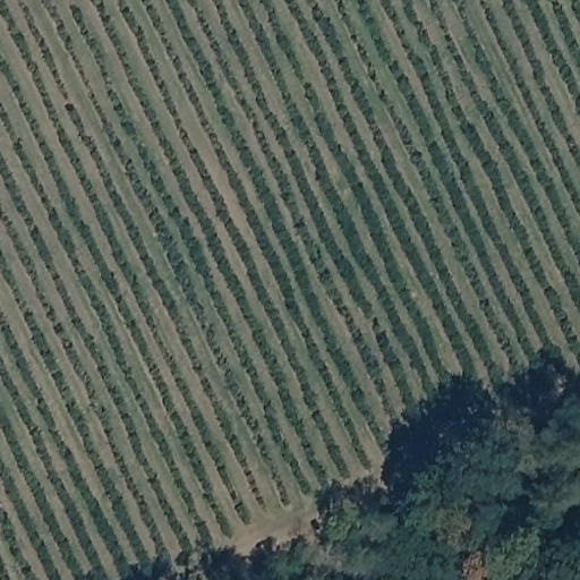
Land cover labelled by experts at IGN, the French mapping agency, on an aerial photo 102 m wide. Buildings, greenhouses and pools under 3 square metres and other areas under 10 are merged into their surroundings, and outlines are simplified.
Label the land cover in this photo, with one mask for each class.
<instances>
[{"label":"deciduous trees","instance_id":"1","mask_svg":"<svg viewBox=\"0 0 580 580\"><path fill-rule=\"evenodd\" d=\"M97 7L104 29L120 57L129 86L136 93L170 161L172 174L177 177V184L190 211L197 215V222L208 240V249L213 251V258L240 306L245 322L251 329V338L270 369V376L276 383L274 392H265L261 376L242 344V338L236 331L229 308L213 283L202 247L190 231L188 220L179 213V206L168 193L163 177L156 168V161L147 152L143 134L136 129L127 106L122 104V97L113 88L106 91L111 104L102 109L97 97H91L93 109L102 122V134L113 147L111 156L104 161L93 138L86 134L79 113L70 111V120L77 127L79 140L88 147L91 159L95 161V168L104 181L106 195L111 197L118 215L122 218L129 238L147 270V276L152 279L163 306L168 308L177 326L179 340L190 358V365L199 376L202 390L215 410L220 426L211 430L204 421V415L199 412V406L193 399L186 378L181 376V369L170 347L161 335L159 322L154 319L138 274L127 261L122 245L116 238L113 224L93 188V181L88 179L79 154L75 152L57 116L45 82L39 73V66L32 59L27 41L16 25L14 14L7 7V0H0V16L5 18L9 34L16 41L20 57L32 73V79L54 125L59 143L68 154L75 174L95 211V218L111 245V254L118 267L131 285L136 304L143 310L147 326L152 329L154 342L172 372V378L190 410V417L202 435L206 451L215 462V469L231 496V503L238 517L247 523H249V510L236 492V483L222 455V451L229 446L233 449L245 471L249 489L258 505H265V498L247 464V455L251 453L261 460L263 474L276 483L281 503L285 505L288 489L283 485V478H288L290 474L299 489L313 498L319 492L331 489L333 485L349 487L356 480L349 476L347 462L342 460L340 449L333 442V435L319 412L315 392L308 385L306 369L297 360L285 326L258 276L251 251L242 240L238 227L233 224L227 204L218 193L197 147L188 138L181 116L172 102L170 88L161 77L156 59L147 48L143 27L129 11L125 0H118V7L127 25L136 34L138 48L150 66L154 84L163 95L165 109L170 111L174 127L199 172V179L213 199L215 213L222 220L227 233L231 236V242L236 245L247 267V276L267 317L272 319V326L281 340L290 367L297 372L304 392V403L308 406L317 430L322 433L324 446L335 464L326 471L322 462L315 458V449L295 408L276 353L272 351L263 333L261 322L249 308L245 290L224 256L220 238L211 220L206 218L204 206L190 188V181L179 163V156L170 138L165 136V129L161 127L152 100L140 84L138 70L131 63L127 43L120 39L104 0H91ZM34 41L39 43V50L50 68V75L61 97H68V91L59 77L52 52L48 50V43L34 25L29 7L23 0H16ZM54 18L57 32L63 39L66 50L73 48V39L52 0H41ZM152 18V25L161 36V43L177 70L181 86L188 93L190 104L195 106L199 125L213 145L218 163L224 170L231 190L236 193V199L258 240V247L274 272L285 308L304 335L308 358L317 369L331 399L333 412L342 421L351 442V451L363 467H369V458L358 440L356 426L349 419L340 392L335 390L331 374L322 363L313 335L299 313V306L295 304V295L281 267V261L274 254L265 236V229L258 222V215L249 204L247 193L218 140V134L211 129L206 120L202 102L184 73L177 50L172 48L152 0H140ZM193 59L199 66L202 79L213 95L220 120L233 147L238 150L242 165L251 177V184L265 206L272 229L288 254V261L295 270L308 310L322 331L326 351L333 358L342 381L351 392L358 412L365 417L383 453H387L390 433L381 430L372 408L367 406L365 392L351 369V363L338 347V338L322 313L317 295L310 288L308 272L301 263L297 245L290 240V233L276 208L274 195L265 184L263 170L258 168L251 150L247 147V140L240 134L220 86L215 84L211 63L204 57L197 39L193 36L188 20L179 7V0H165ZM188 5L197 14L202 32L211 43V50L215 52L218 66L222 68L229 86L233 88L245 116L251 120L254 134L279 181L292 222L310 254L319 281L324 283L338 313L347 322L353 344L358 347V353L376 385V392L381 394L383 410L390 417L392 430L408 426L415 417H419V399L412 396L403 367L396 353L392 351L385 333L381 331L378 319H372L378 347L401 392V401L392 406L378 363L372 356L358 324L353 322V315L344 306L322 261V251L317 249L315 240L310 238L304 224V218L299 215L297 202L290 193V184L281 170V163L270 150L265 131L261 129L256 113L251 111L236 75L231 73L229 61L224 59L220 43L206 18V9L199 0H188ZM227 41L242 66V73L254 91L256 104L261 106L267 125L272 127L279 145L283 147V154L292 168V174L313 215L317 233L324 240L333 263L338 265L340 276L344 279L353 301L363 308L365 315L372 313V304L367 301L351 265L347 263V258L342 256L340 247L331 236V229L306 181L301 163L283 127L267 106L263 86L251 68L249 54L242 48L236 27L229 20L222 0H213ZM256 36V43L270 66V73L276 82L285 113L310 154V161L315 165V179L319 181L326 202L335 213V220L349 242L353 258L374 285L396 340L410 356V365L419 374L426 399L437 396V385L430 383L412 338L401 324L372 258L365 254L353 220L347 213L344 202L335 193L333 181L326 172L322 154L315 145L317 140H326L340 172L344 174L363 211L365 224L369 227L372 240L385 263L387 276L394 283L408 315L412 317L424 340L426 353L437 372L440 385L451 387L453 374L444 367L437 353L433 331L408 292V285L392 256V249L372 208V202L363 184L358 181V174L349 156L342 152L340 143L333 136L322 102L313 84L304 75L301 61L292 48L290 36L283 32V25L272 0H238ZM310 52L319 63L335 109L344 122V129L358 152V159L367 177L372 179L378 193L381 204L385 206L390 224L408 261L412 263L417 279L424 292L428 295L437 317L442 319L451 347L462 365V376H467L469 381H476L471 356L462 344V338L453 319L449 317L442 297L433 279L428 276L424 261L415 242L410 240L406 224L381 174L376 172V165L342 100L326 54L322 52L317 36L308 27V20L304 18L295 0H285ZM313 9V18L319 23L344 73L347 84L351 86V95L369 125L383 165L396 193L403 197L410 211V218L433 258V265L446 288V295L453 301L460 319L464 322L487 367L492 385L512 383L517 374L528 369L541 367L539 351L532 349L510 297L505 295L503 283L498 281L485 242L480 240L478 229L464 206L460 188L455 186V179L433 138V129L412 93L408 77L403 75L399 61L392 57L383 39L381 25L374 18L367 0H353L376 45L381 61L396 79L401 95L408 102L410 116L415 118L419 134L430 152L421 159V152L415 150L408 127L399 118L392 100L385 97L381 102L390 111V118L401 136V143L410 154V161L417 165L421 174L433 208L440 218V224L451 238L455 258L462 265L489 326L498 338V344L508 353V374L494 363L478 322L467 313L464 301L455 290L451 274L444 265L442 251L435 245L430 227L419 211L415 195L403 184L396 170L394 156L374 120V111L367 102L365 88L353 75L349 59L344 57V48L335 34V27L315 0H306ZM474 249L487 272V279L494 288L498 304L503 306L508 319L514 326L523 353L528 356V369L514 360L510 338L505 335V329L496 319L489 299L485 297L478 272L467 256ZM385 14L394 23L401 48L406 50L410 63L415 66L421 79L424 93L433 106L435 120L440 122L451 156L460 168V177L476 204L483 227L494 240V247L498 249L505 270L517 292L521 295L523 308L539 335L541 349L548 351L553 358H562L560 349L551 342L546 326L535 308L532 295L523 276L519 274L508 245L503 242L492 222V215L485 206L471 168L467 159L460 154L458 143L451 134L433 82L426 73L424 59L415 54L412 45L408 43V36L401 29V23L390 0H381ZM406 18L415 27L419 43L430 52V61L442 79L446 102L453 116L458 118L464 138L469 140L474 154L480 159L487 177L492 179L498 206L521 245V251L535 274V281L544 290L555 313V319L560 322V329L569 342V349L575 353L580 363V342L562 308L557 290L548 283L539 258L530 247L528 233L510 204L508 190L503 186L494 159L485 150L476 127L467 122L462 106L455 100L440 52L430 43L424 23L417 18L412 0H401ZM446 0H428L430 16L437 20L440 36L446 43L449 57L455 63L460 82L467 86L471 102L485 118L489 134L503 152L535 215L544 242L548 245V251L557 270L562 272L571 299L580 313V283L575 274L569 270L555 242L546 213L539 206L530 179L523 172L512 145L503 136L487 102L480 97L471 75L464 70L462 57L453 45L446 18L440 7ZM458 7V18L462 23L469 48L474 50V61L487 79L494 100L508 116L512 131L523 145L530 165L535 168L537 179L544 186L553 204V211L564 229L566 242L573 247L580 263V238L571 227V220L560 202L553 179L546 174V168L535 150L530 134L526 131L510 97L494 77L492 63L487 61L480 41L471 27L464 0H451ZM496 36V43L510 63L523 102L544 138V145L553 156L562 184L569 190L571 202L575 204V211L580 215V193L571 181V174L560 156V150L537 111L530 88L523 82L519 61L512 48L508 45L498 27V20L492 11V5L487 0H478ZM530 61L537 88L544 95V102L580 170V147L566 127L560 104L546 86L541 61L532 50L530 36L512 0H501ZM539 27L546 52L553 57V63L557 66L571 97L575 100V111L580 116V88L553 41L546 16L537 0H523ZM557 18L560 32L564 36V43L580 70V48L557 0H548ZM73 18L79 25L84 41L88 43L95 57L100 77H109L102 43L88 27L84 11H79ZM0 73L14 91L25 120L29 122V129L43 152V159L57 184L68 218L77 227L106 290L116 299L118 310L125 317V324L131 331L134 342L138 344L143 360L147 363V369L161 392L163 408L177 428L184 455L188 458V464L202 485V496L208 510L213 512L222 535L231 537L233 532L213 494L211 480L181 421V415L172 403L168 385L147 349V342L95 245L88 224L79 215L77 202L70 195V188L59 170V163L41 131V125L32 106L25 100L18 77L14 75L9 61L0 52ZM0 120L7 129L16 156L20 159L23 170L29 177L32 188L36 190L48 213L52 229L57 231L59 242L63 245L73 263L77 283L86 290L93 310L100 317L116 365L122 372L125 383L131 387L134 399L143 410L150 435L159 444L172 485L186 505V514L197 528V553L202 555L213 551V541L174 464L165 435L156 426L147 399L143 396L138 381L131 374V367L127 365L111 317L104 304L100 301L88 274L84 272L70 233L63 229L52 202L48 199L43 184L39 181L36 168L23 147L18 131L11 125L9 113L5 111V104L0 102ZM0 177L16 211L29 229V236L39 249V256L45 263V270L54 281V288L66 306V313L75 331L91 351L97 372L113 403L118 406L136 462L143 467L156 494V501L168 519V526L179 541L181 553L177 555V562L184 566L190 562V539L177 521L174 510L161 489V483L152 464L143 453L138 430L134 426L131 415L127 412V403L111 381L102 351L97 349L93 335L86 331L84 322L79 319L75 304L54 267L52 254L32 213L27 211L20 190L7 168V161L0 152ZM0 222L5 224L7 236L11 238L18 258L32 279L36 299L48 313L54 333L61 338V344L66 349L68 360L75 367V374L82 378L86 387L88 406L84 408L97 412L113 460L120 467V474L138 503L143 523L147 526L156 548V557H147V551L143 548V541L129 519L127 505L120 492L116 489V483L109 469L104 467L97 449L93 446L88 424L82 410L77 408L73 392L63 378V372L57 365L54 353L0 249V274L5 283L11 288L14 301L32 331V342L43 356V363L66 403V410L82 435L84 453L88 455L97 474V480L104 494L109 496L113 512L136 553V566L140 569V573L150 575L156 564H168V551L156 528V521L147 508V501L138 489L125 462V455L116 442L111 417L95 394L91 374L79 360L68 335L63 333L54 306L45 297L39 272L25 245L20 242L14 222L2 211L0 202ZM0 333L16 363V369L20 372L29 394L36 401V410L48 426L52 444L63 458L66 469L116 562L120 580H127L131 578L134 564L127 562L95 496L82 478V471L70 449L61 440L54 417L43 399V392L36 385L29 365L0 308ZM0 378L5 390L14 399V406L23 424L32 435L36 453L45 467L48 480L52 483L59 501L63 503L70 526L91 562V571H82L66 535L57 523V517L45 498V492L23 453L16 430L0 403V428L7 437V444L16 458L18 469L23 471L34 494V501L43 514L50 535L59 544L61 557L68 564L73 580H109L86 535V528L73 498L68 496L61 478L54 471L41 433L32 421L0 358ZM530 444L539 469H535V474H521L519 442V433H505L501 424H492V419H480V424L471 430L469 442H455L446 455H437L435 464L415 476L417 492L396 501V510L392 514H378L369 508L358 510L351 501H347L344 505L342 519L331 517L329 521L326 546H322L319 539L315 544H306L304 537H295L292 541L281 546L274 544L267 569L274 571L276 580H580V541H562L557 528L562 526L569 508L580 505V399L569 396L564 399V406L555 410L548 426L541 433L537 430L532 435ZM517 496H526L535 510L528 517L530 526L519 528L514 537L505 539L498 526L505 512L512 510ZM0 480L50 580H61L48 553V546L39 537V530L25 508V501L20 498L18 487L0 455ZM0 526L7 548L25 580H39L18 548L7 512L0 508Z\"/></svg>","mask_w":580,"mask_h":580},{"label":"herbaceous vegetation","instance_id":"2","mask_svg":"<svg viewBox=\"0 0 580 580\"><path fill-rule=\"evenodd\" d=\"M29 7L34 25L48 43V50L52 52L59 77L68 91V97H61L50 75V68L39 50V43L34 41L16 0H7V7L14 14L16 25L27 41L32 59L39 66V73L45 82L57 116L75 152L79 154L88 179L93 181V188L113 224L116 238L122 245L127 261L138 274L154 319L159 322L161 335L170 347L181 369V376L186 378L193 399L199 406V412L204 415V421L211 430L220 426L215 410L202 390L199 376L190 365V358L179 340L177 326L168 308L163 306L152 279L147 276V270L129 238L122 218L118 215L111 197L106 195L104 181L95 168V161L91 159L88 147L79 140L77 127L70 120V111L79 113L86 134L93 138L104 161L111 156L113 147L102 134V122L93 109L91 97H97L102 109L111 104L106 91L113 88L122 97V104L127 106L136 129L143 134L147 152L156 161V168L163 177L168 193L179 206V213L188 220L190 231L202 247L213 283L229 308L236 331L242 338V344L261 376L265 392H274L276 383L270 376V369L251 338V329L245 322L240 306L213 258V251L208 249V240L197 222V215L190 211L177 184V177L172 174L170 161L136 93L129 86L120 57L104 29L97 7L91 0H52L73 39V48L66 50L63 39L57 32L54 18L41 0H23ZM79 11H84L88 27L102 43L109 77H100L95 57L88 43L84 41L79 25L73 18ZM120 39L127 43L131 63L138 70L140 84L152 100L161 127L165 129V136L170 138L179 156V163L190 181V188L204 206L206 218L211 220L220 238L224 256L245 290L249 308L261 322L263 333L272 351L276 353L295 408L315 449V458L322 462L326 471L335 464L324 446L322 433L317 430L308 406L304 403V392L297 372L290 367L281 340L272 326V319L267 317L247 276V267L236 245L231 242V236L227 233L222 220L215 213L213 199L199 179V172L174 127L170 111L165 109L163 95L154 84L150 66L138 48L136 34L127 25L118 7V0H104ZM129 11L143 27L147 48L156 59L161 77L170 88L172 102L181 116L188 138L197 147L218 193L227 204L233 224L238 227L242 240L251 251L258 276L285 326L297 360L306 369L308 385L315 392L319 412L333 435V442L340 449L342 460L347 462L349 476L356 480L349 487L333 485L331 489L319 492L313 498L299 489L290 474L288 478H283V485L288 489L285 505L281 503L276 483L263 474L261 460L251 453L247 455V464L265 498V505H258L249 489L245 471L233 449L229 446L222 451V455L236 483V492L249 510V523L254 528H261L265 521H285L290 514L304 521H313L329 505H344L347 501H351L358 510L369 508L376 503L385 487L396 483L399 469H408L415 476L435 464L437 455H446L455 442H469L471 430L480 424V419H492L496 408L517 412V408H532L539 399H555L560 394L569 396L580 399V363L575 353L569 349V342L560 329V322L555 319V313L544 290L535 281V274L521 251V245L498 206L492 179L487 177L480 159L474 154L469 140L464 138L458 118L453 116L446 102L442 79L430 61V52L419 43L415 27L406 18L401 0H390L401 23V29L408 36V43L412 45L415 54L424 59L426 73L433 82L451 134L458 143L460 154L467 159L471 168L485 206L492 215V222L503 242L508 245L519 274L523 276L532 295L535 308L546 326L551 342L560 349L562 358H553L548 351L541 349L539 335L523 308L521 295L517 292L505 270L498 249L494 247V240L483 227L476 204L460 177V168L451 156L440 122L435 120L433 106L424 93L421 79L415 66L410 63L406 50L401 48L394 23L385 14L381 0H367L374 18L381 25L383 39L392 57L399 61L403 75L408 77L412 93L433 129V138L455 179V186L460 188L464 206L478 229L480 240L485 242L498 281L503 283L505 295L510 297L532 349L539 351L541 367L528 369L517 374L512 383L492 385L487 367L464 322L460 319L453 301L446 295V288L433 265V258L410 218V211L403 197L396 193L383 165L369 125L351 95V86L347 84L344 73L319 23L313 18V9L306 0H295L304 18L308 20V27L317 36L322 52L326 54L342 100L376 165V172L381 174L406 224L410 240L415 242L424 261L428 276L433 279L442 297L449 317L453 319L462 338V344L471 356L476 381H469L467 376H462V365L451 347L442 319L437 317L428 295L424 292L417 279L412 263L408 261L390 224L385 206L381 204L378 193L372 179L367 177L358 159V152L344 129V122L335 109L319 63L310 52L285 0H272L283 25V32L290 36L292 48L301 61L304 75L313 84L322 102L333 136L340 143L342 152L349 156L358 174V181L363 184L372 202V208L392 249V256L408 285V292L433 331L437 353L444 367L453 374L451 387L440 385L437 372L426 353L424 340L412 317L408 315L394 283L387 276L385 263L372 240L369 227L365 224L363 211L344 174L340 172L326 140H317L315 145L322 154L326 172L333 181L335 193L344 202L347 213L353 220L365 254L372 258L401 324L412 338L430 383L437 385V396L426 399L419 374L410 365V356L396 340L374 285L353 258L349 242L335 220V213L326 202L319 181L315 179V165L310 161V154L285 113L276 82L270 73V66L256 43V36L238 0H222L229 20L236 27L242 48L249 54L251 68L263 86L267 106L283 127L301 163L306 181L331 229V236L340 247L342 256L347 258V263L351 265L367 301L372 304V313L365 315L363 308L353 301L344 279L340 276L338 265L333 263L324 240L317 233L313 215L292 174V168L283 154V147L279 145L272 127L267 125L261 106L256 104L254 91L242 73V66L227 41L213 0H199L206 9V18L220 43L224 59L229 61L231 73L236 75L251 111L256 113L261 129L265 131L270 150L281 163V170L290 184V193L297 202L299 215L304 218V224L310 238L315 240L317 249L322 251V261L344 306L353 315V322L358 324L372 356L378 363L392 406L401 401V392L378 347L372 319H378L381 331L385 333L392 351L396 353L403 367L412 396L419 399V417H415L408 426L392 430L390 417L383 410L381 394L376 392V385L358 353V347L353 344L347 322L338 313L324 283L319 281L310 254L292 222L279 181L254 134L251 120L245 116L233 88L229 86L222 68L218 66L215 52L211 50V43L202 32L197 14L188 5V0H179V7L188 20L193 36L197 39L204 57L211 63L215 84L220 86L240 134L247 140V147L251 150L258 168L263 170L265 184L274 195L276 208L290 233V240L297 245L301 263L308 272L310 288L317 295L322 313L338 338V347L351 363V369L365 392L367 406L372 408L381 430L390 433L387 453H383L365 417L358 412L351 392L342 381L333 358L326 351L322 331L308 310L295 270L288 261V254L272 229L265 206L251 184V177L242 165L238 150L233 147L220 120L213 95L202 79L199 66L193 59L165 0H152L172 48L177 50L184 73L202 102L206 120L211 129L218 134V140L247 193L249 204L258 215V222L265 229V236L274 254L281 261V267L295 295V304L299 306V313L313 335L322 363L331 374L335 390L340 392L349 419L356 426L358 440L369 458V467H363L351 451V442L342 421L333 412L331 399L317 369L308 358L304 335L285 308L274 272L258 247V240L236 199V193L231 190L224 170L218 163L213 145L199 125L195 106L190 104L188 93L181 86L177 70L161 43V36L152 25V18L140 0H125ZM335 27V34L344 48V57L349 59L353 75L365 88L367 102L374 111V120L394 156L396 170L403 184L415 195L419 211L430 227L435 245L442 251L444 265L451 274L455 290L464 301L467 313L478 322L494 363L508 374V353L498 344V338L489 326L462 265L455 258L451 238L440 224V218L433 208L421 174L417 165L410 161V154L401 143V136L390 118V111L381 102L385 97L392 100L399 118L408 127L415 150L421 152V159L430 152L419 134L415 118L410 116L408 102L401 95L396 79L381 61L376 45L353 0H315ZM417 18L424 23L430 43L440 52L455 100L462 106L467 122L476 127L485 150L494 159L503 186L508 190L510 204L528 233L530 247L539 258L548 283L557 290L562 308L580 342V313L571 299L562 272L557 270L548 251V245L544 242L535 215L503 152L489 134L485 118L471 102L467 86L460 82L455 63L449 57L446 43L440 36L437 20L430 16L428 0H412ZM440 7L446 18L453 45L462 57L464 70L471 75L480 97L487 102L503 136L512 145L523 172L530 179L539 206L546 213L555 242L569 270L575 274L580 283V263L573 247L566 242L564 229L553 211V204L544 186L537 179L535 168L530 165L523 145L512 131L508 116L494 100L487 79L474 61V50L469 48L462 23L458 18V7L451 0H446ZM471 27L480 41L487 61L492 63L494 77L510 97L526 131L530 134L535 150L546 168V174L553 179L560 202L571 220V227L580 238V215L575 211V204L571 202L569 190L562 184L553 156L544 145V138L523 102L510 63L496 43V36L478 0H464ZM492 5V11L498 20V27L508 45L512 48L519 61L523 82L530 88L537 111L560 150V156L571 174V181L580 193V170L544 102V95L537 88L530 61L501 0H487ZM530 36L532 50L541 61L546 86L560 104L566 127L580 147V116L575 111V100L571 97L557 66L553 63V57L546 52L539 27L523 0H512ZM546 16L553 41L580 88V70L564 43V36L560 32L557 18L548 0H537ZM580 48V0H557ZM0 52L9 61L14 75L18 77L25 100L32 106L41 125V131L59 163V170L70 188V195L77 202L79 215L88 224L95 245L147 342V349L168 385L172 403L181 415V421L211 480L213 494L233 532L236 537H240L242 532H247V523L238 517L231 503V496L215 469V462L206 451L202 435L190 417V410L172 378V372L154 342L152 329L147 326L143 310L136 304L131 285L118 267L111 254V245L95 218V211L75 174L68 154L59 143L54 125L32 79V73L20 57L16 41L9 34L5 18L0 16ZM0 102L5 104V111L9 113L11 125L18 131L23 147L36 168L39 181L43 184L48 199L52 202L63 229L70 233L84 272L88 274L100 301L104 304L111 317L127 365L131 367V374L138 381L143 396L147 399L156 426L165 435L174 464L213 541V551L202 555L197 553V528L186 514V505L172 485L159 444L150 435L143 410L134 399L131 387L125 383L122 372L116 365L100 317L93 310L86 290L77 283L73 263L63 245L59 242L57 231L52 229L48 213L36 190L32 188L29 177L23 170L20 159L16 156L7 129L0 120V152L7 161V168L20 190L27 211L32 213L52 254L54 267L75 304L79 319L84 322L86 331L93 335L97 349L102 351L111 381L127 403V412L131 415L134 426L138 430L143 453L152 464L161 483V489L174 510L177 521L190 539V566L202 564L208 580H276L274 571L267 569L274 544V539L267 537L256 544L251 555H238L233 548H229L233 544L231 537L222 535L213 512L208 510L202 496V485L188 464V458L184 455L177 428L163 408L161 392L147 369V363L143 360L138 344L134 342L131 331L125 324V317L118 310L116 299L106 290L77 227L68 218L57 184L43 159V152L29 129V122L25 120L14 91L0 73ZM0 202L2 211L14 222L20 242L25 245L39 272L45 297L54 306L63 333L68 335L79 360L91 374L95 394L111 417L116 442L125 455V462L138 489L147 501V508L156 521V528L168 551V564H156L150 575L140 573V569L136 566V553L113 512L109 496L104 494L97 480V474L88 455L84 453L82 435L66 410V403L43 363V356L32 342V331L14 301L11 288L5 283L0 274V308L29 365L36 385L43 392V399L54 417L61 440L70 449L82 471V478L95 496L127 562L134 564L131 578L127 580H161L168 566L174 573H184V566L177 562V555L181 553L179 541L168 526V519L156 501V494L143 467L136 462L118 406L113 403L97 372L91 351L75 331L66 313V306L54 288V281L45 270V263L39 256V249L29 236V229L16 211L0 177ZM0 249L54 353L57 365L63 372V378L73 392L77 408L82 410L88 424L93 446L97 449L104 467L109 469L116 483V489L120 492L127 505L129 519L143 541V548L147 551V557H156V548L147 526L143 523L138 503L120 474V467L113 460L97 412L84 408L88 406L86 387L82 378L75 374V367L68 360L66 349L61 344V338L54 333L48 313L36 299L32 279L18 258L11 238L7 236L5 224L0 222ZM467 256L478 272L485 297L489 299L496 319L505 329V335L510 338L514 360L528 369V356L523 353L514 326L508 319L503 306L498 304L494 288L487 279V272L474 249ZM0 358L32 421L41 433L54 471L61 478L68 496L73 498L86 528V535L109 580H120L116 562L66 469L63 458L52 444L48 426L36 410V401L29 394L20 372L16 369V363L0 333ZM0 403L16 430L23 453L45 492V498L57 517V523L66 535L82 571H91V562L70 526L63 503L59 501L52 483L48 480L45 467L36 453L32 435L23 424L14 406V399L5 390L0 378ZM0 455L18 487L20 498L25 501V508L39 530V537L48 546V553L61 580H73L68 564L61 557L59 544L50 535L43 514L34 501V494L23 471L18 469L16 458L7 444V437L0 428ZM521 474H535V469H539L530 444L519 442ZM0 508L7 512L18 548L39 580H50L0 480ZM535 510L526 496H517L512 510L505 512L498 526L505 539L514 537L519 528L530 526L528 517ZM562 541H580V505L569 508L562 526L557 528ZM0 580H25L7 548L0 526Z\"/></svg>","mask_w":580,"mask_h":580},{"label":"pervious surface","instance_id":"3","mask_svg":"<svg viewBox=\"0 0 580 580\"><path fill-rule=\"evenodd\" d=\"M564 399L569 396L560 394L555 399H539L532 408H517V412L496 408L492 419V424H501L505 433H519V442L530 444L532 435L537 430L541 433L548 426L555 410L564 406ZM417 492L415 476L408 469H399L396 483L385 487L376 503L369 508L378 514H392L396 510V501ZM344 505H329L313 521H304L290 514L285 521H265L261 528H254L249 523H247V532H242L240 537H236L233 532L231 537L233 544L229 548H233L238 555H251L256 544L267 537L274 539V544L281 546L292 541L295 537H304L306 544H315L319 539L322 546H326L329 521L331 517L342 519ZM161 580H208L202 564L190 566V562L184 566V573H174L168 566Z\"/></svg>","mask_w":580,"mask_h":580}]
</instances>
